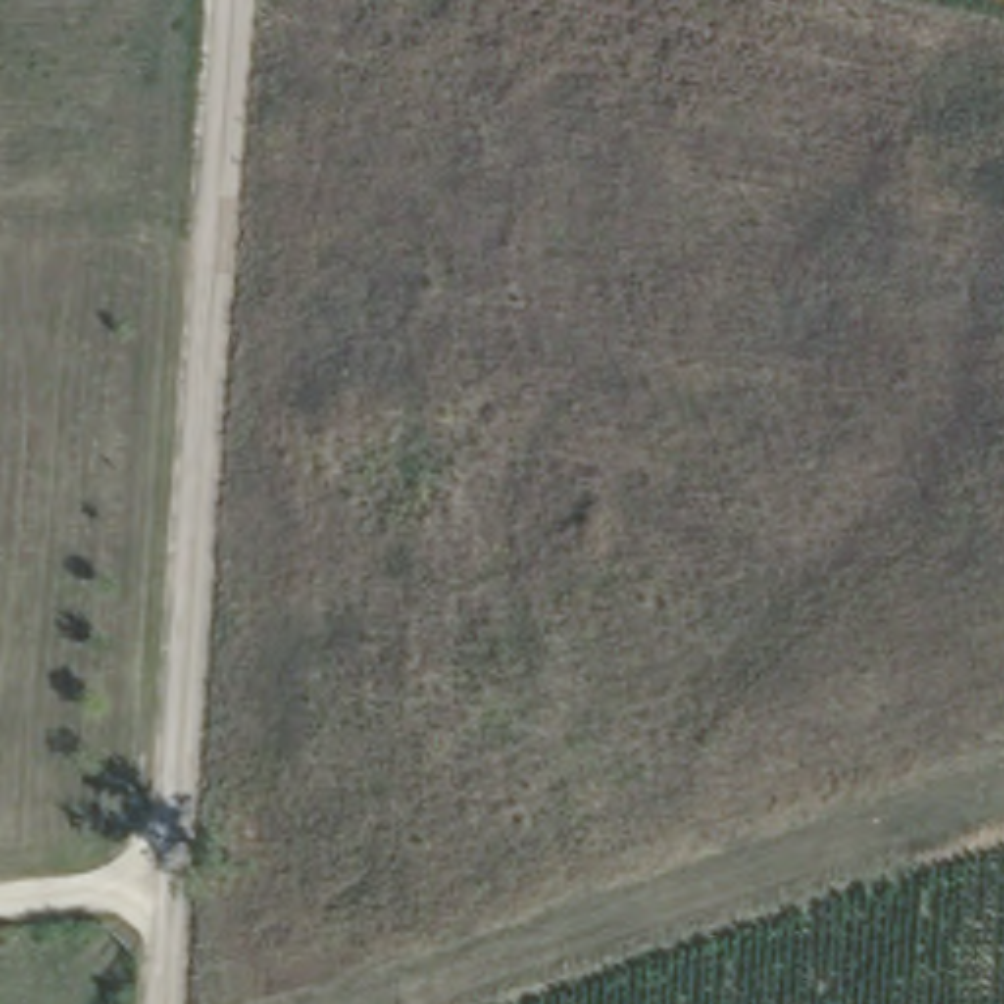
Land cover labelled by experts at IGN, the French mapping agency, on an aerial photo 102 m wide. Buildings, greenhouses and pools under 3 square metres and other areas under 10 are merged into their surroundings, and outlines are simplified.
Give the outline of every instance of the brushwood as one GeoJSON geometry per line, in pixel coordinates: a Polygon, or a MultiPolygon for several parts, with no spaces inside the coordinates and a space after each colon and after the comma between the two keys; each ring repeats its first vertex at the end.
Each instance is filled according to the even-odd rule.
{"type": "Polygon", "coordinates": [[[86,922],[94,910],[31,910],[0,918],[0,945],[16,945],[24,937],[43,941],[47,926],[86,922]]]}
{"type": "Polygon", "coordinates": [[[141,957],[129,945],[122,945],[110,969],[94,977],[90,1004],[141,1004],[141,957]]]}

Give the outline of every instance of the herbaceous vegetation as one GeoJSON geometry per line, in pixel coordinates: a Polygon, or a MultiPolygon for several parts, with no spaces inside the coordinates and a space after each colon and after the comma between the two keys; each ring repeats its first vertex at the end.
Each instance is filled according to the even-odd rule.
{"type": "Polygon", "coordinates": [[[129,945],[141,957],[141,933],[126,918],[94,910],[86,922],[47,926],[43,941],[24,937],[16,945],[0,945],[0,1004],[90,1004],[94,977],[110,969],[122,945],[129,945]]]}

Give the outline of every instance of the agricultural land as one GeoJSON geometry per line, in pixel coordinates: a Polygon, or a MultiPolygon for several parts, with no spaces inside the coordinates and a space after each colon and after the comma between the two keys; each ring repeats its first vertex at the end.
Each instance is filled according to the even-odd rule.
{"type": "Polygon", "coordinates": [[[212,506],[212,612],[200,714],[196,828],[188,863],[169,879],[169,894],[184,898],[188,910],[184,1004],[518,1004],[522,996],[537,996],[553,984],[592,977],[651,949],[671,949],[698,933],[718,933],[737,922],[773,918],[784,906],[812,906],[816,898],[847,890],[851,882],[898,879],[929,863],[945,863],[1004,843],[1004,0],[255,0],[239,153],[235,278],[227,302],[224,353],[220,478],[212,506]]]}
{"type": "Polygon", "coordinates": [[[0,0],[0,882],[98,871],[118,859],[126,839],[133,839],[153,820],[153,808],[161,804],[161,796],[153,792],[153,769],[165,710],[165,577],[173,463],[180,451],[176,404],[184,286],[196,216],[192,180],[200,169],[196,102],[204,0],[0,0]]]}

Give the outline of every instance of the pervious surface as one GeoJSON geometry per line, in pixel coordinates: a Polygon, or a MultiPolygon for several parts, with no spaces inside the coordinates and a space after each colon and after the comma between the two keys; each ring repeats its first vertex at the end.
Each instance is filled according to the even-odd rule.
{"type": "Polygon", "coordinates": [[[161,804],[153,808],[153,820],[133,839],[126,839],[118,859],[98,871],[0,882],[0,918],[31,910],[94,910],[126,918],[141,933],[141,957],[141,1004],[184,1004],[188,910],[184,898],[169,894],[169,879],[188,863],[196,828],[200,714],[212,612],[212,506],[220,478],[224,353],[227,302],[235,278],[239,153],[255,0],[204,0],[196,102],[200,169],[192,180],[196,216],[184,286],[176,404],[180,451],[173,463],[165,577],[165,710],[153,769],[153,792],[161,796],[161,804]]]}

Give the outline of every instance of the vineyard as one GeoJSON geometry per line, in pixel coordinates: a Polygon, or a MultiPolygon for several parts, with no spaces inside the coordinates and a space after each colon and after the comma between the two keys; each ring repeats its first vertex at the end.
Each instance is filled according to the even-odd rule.
{"type": "Polygon", "coordinates": [[[816,898],[812,906],[784,906],[773,918],[737,922],[718,933],[698,933],[671,949],[651,949],[592,977],[553,984],[537,996],[522,996],[518,1004],[1004,1004],[1004,843],[945,863],[929,863],[898,879],[851,882],[847,890],[816,898]]]}

